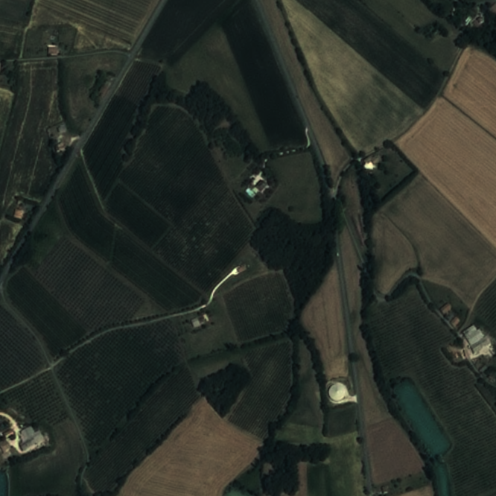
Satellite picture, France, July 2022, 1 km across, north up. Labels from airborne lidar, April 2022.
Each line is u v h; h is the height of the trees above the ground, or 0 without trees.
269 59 0
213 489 0
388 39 0
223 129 7
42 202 0
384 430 0
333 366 0
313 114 0
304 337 16
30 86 0
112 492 13
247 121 0
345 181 0
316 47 0
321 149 0
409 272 0
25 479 0
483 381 9
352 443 0
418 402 0
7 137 0
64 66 7
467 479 0
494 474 0
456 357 0
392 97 0
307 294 15
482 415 0
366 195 15
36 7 0
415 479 0
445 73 10
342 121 0
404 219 0
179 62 0
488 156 0
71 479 0
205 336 0
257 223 6
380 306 0
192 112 12
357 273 0
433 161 0
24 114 0
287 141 0
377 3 0
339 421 0
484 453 0
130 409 6
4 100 0
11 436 9
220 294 0
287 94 0
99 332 9
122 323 8
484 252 0
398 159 0
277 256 21
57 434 0
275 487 21
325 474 0
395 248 0
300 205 0
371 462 0
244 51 0
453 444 0
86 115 0
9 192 0
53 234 0
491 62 0
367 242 10
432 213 0
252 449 0
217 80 0
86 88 0
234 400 11
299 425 0
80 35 0
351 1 0
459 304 0
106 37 0
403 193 0
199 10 0
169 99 15
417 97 0
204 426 0
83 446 0
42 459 0
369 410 0
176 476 0
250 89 0
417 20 0
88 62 0
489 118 0
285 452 23
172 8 0
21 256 15
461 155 0
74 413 0
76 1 0
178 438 0
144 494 0
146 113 19
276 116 0
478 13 0
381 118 0
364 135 0
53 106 0
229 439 0
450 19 8
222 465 0
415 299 0
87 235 5
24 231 12
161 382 14
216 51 0
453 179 0
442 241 0
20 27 0
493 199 0
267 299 0
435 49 0
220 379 18
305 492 0
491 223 0
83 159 0
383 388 12
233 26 0
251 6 0
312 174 0
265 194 7
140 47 0
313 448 15
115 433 13
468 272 0
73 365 5
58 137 0
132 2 0
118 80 0
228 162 0
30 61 0
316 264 19
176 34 0
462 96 0
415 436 8
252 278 0
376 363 18
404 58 0
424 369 0
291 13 0
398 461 0
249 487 0
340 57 0
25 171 0
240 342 0
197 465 0
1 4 0
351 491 0
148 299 0
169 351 6
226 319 0
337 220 29
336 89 0
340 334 0
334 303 0
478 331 0
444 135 0
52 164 0
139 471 0
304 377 0
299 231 22
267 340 8
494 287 0
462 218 0
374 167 0
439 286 0
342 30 0
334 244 18
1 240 0
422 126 0
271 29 0
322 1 0
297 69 0
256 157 9
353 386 0
